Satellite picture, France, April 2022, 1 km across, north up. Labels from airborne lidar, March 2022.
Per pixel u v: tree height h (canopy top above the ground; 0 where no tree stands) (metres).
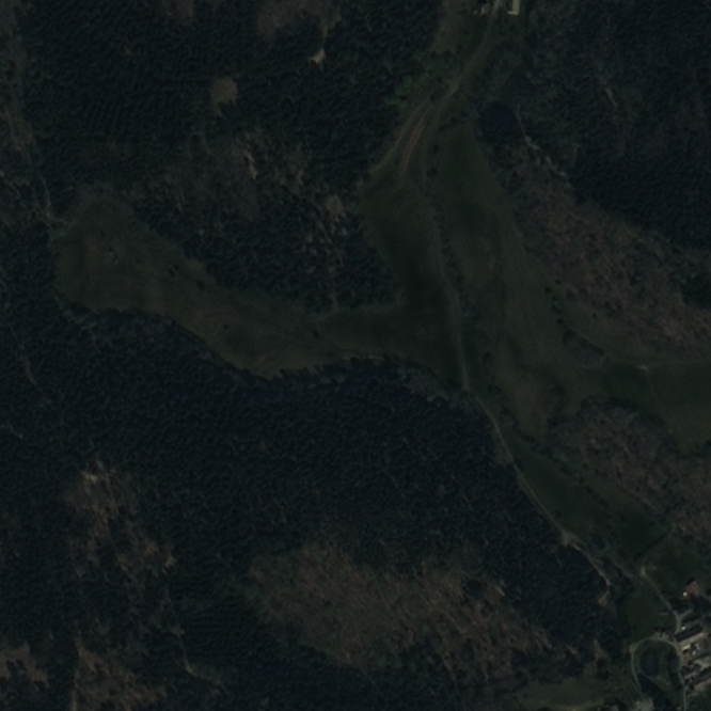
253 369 0
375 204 0
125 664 21
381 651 26
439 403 22
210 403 36
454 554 24
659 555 0
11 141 23
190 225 27
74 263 0
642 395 0
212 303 0
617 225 26
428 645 27
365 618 19
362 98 26
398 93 28
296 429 30
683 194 25
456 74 12
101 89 27
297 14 27
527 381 0
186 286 0
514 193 26
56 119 34
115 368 11
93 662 13
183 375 33
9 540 25
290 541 15
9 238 29
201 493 18
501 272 0
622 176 30
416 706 30
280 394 26
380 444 29
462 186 0
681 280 25
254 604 11
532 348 0
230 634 16
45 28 17
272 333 0
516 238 0
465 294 13
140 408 30
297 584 21
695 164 27
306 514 22
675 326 25
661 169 31
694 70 22
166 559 11
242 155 30
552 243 26
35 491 24
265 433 26
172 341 25
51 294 38
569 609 25
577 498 0
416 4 28
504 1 0
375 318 0
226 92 0
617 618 22
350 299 34
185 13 24
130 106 34
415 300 0
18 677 34
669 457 26
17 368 32
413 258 0
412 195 0
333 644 28
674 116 23
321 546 17
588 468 26
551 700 0
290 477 27
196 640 18
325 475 30
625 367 0
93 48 33
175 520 31
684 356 21
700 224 24
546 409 0
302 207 30
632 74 23
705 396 0
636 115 19
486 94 28
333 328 0
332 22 25
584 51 25
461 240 0
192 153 26
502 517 24
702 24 35
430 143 0
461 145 0
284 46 32
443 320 0
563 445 31
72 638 25
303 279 36
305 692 38
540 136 24
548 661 25
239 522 28
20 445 25
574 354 21
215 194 25
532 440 19
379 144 26
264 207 25
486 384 0
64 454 29
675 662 16
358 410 30
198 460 30
